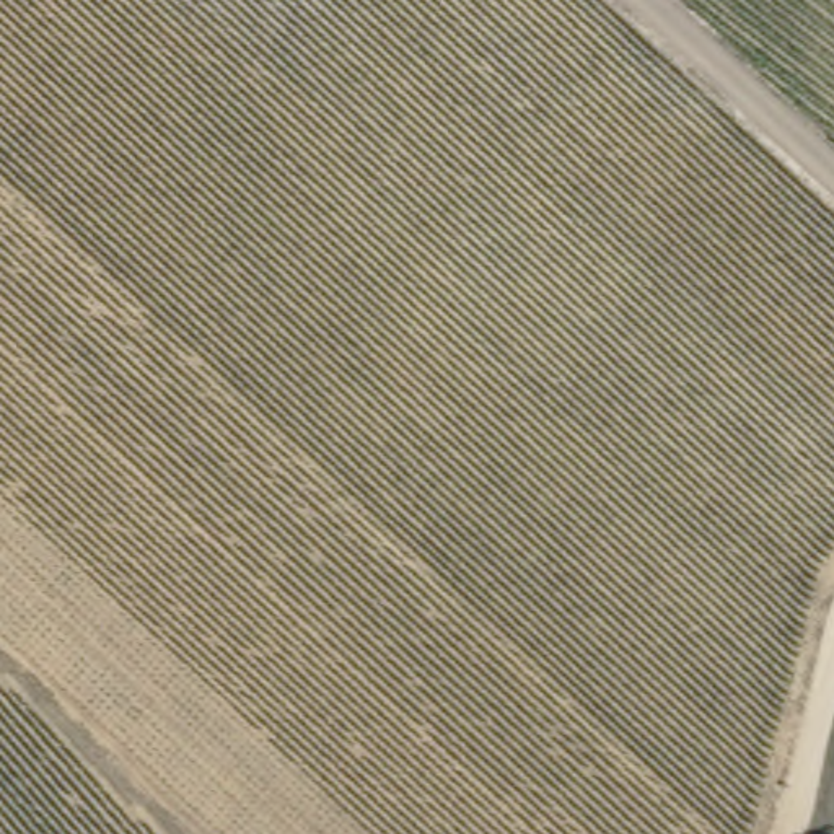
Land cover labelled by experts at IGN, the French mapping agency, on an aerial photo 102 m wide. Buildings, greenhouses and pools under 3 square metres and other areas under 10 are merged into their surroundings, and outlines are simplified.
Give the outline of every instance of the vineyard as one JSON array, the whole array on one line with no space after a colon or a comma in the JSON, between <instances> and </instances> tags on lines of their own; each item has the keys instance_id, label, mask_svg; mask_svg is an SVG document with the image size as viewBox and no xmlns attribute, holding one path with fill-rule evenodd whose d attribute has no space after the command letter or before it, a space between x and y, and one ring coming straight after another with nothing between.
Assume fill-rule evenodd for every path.
<instances>
[{"instance_id":1,"label":"vineyard","mask_svg":"<svg viewBox=\"0 0 834 834\"><path fill-rule=\"evenodd\" d=\"M834 147L834 0L681 0L687 10L710 23L720 46L726 46L740 62L753 65L759 72L759 81L769 85L779 98L785 98Z\"/></svg>"},{"instance_id":2,"label":"vineyard","mask_svg":"<svg viewBox=\"0 0 834 834\"><path fill-rule=\"evenodd\" d=\"M772 150L766 150L726 108L720 108L681 65L674 65L661 49L655 49L606 0L0 0L0 834L769 834L795 762L798 730L811 697L827 612L834 606L834 209L818 192L811 192Z\"/></svg>"}]
</instances>

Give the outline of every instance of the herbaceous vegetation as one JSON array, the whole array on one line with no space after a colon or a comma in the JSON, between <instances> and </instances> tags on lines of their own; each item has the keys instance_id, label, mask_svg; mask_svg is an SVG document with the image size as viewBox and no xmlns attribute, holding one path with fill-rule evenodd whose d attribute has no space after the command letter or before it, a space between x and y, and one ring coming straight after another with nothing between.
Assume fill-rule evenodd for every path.
<instances>
[{"instance_id":1,"label":"herbaceous vegetation","mask_svg":"<svg viewBox=\"0 0 834 834\"><path fill-rule=\"evenodd\" d=\"M834 726L824 753L811 827L805 834L834 834Z\"/></svg>"}]
</instances>

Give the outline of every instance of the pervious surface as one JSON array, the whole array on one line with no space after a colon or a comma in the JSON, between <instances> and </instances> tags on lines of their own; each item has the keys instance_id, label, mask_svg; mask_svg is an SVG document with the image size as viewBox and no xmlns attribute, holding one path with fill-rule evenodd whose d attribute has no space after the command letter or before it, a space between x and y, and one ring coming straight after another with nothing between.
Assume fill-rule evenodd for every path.
<instances>
[{"instance_id":1,"label":"pervious surface","mask_svg":"<svg viewBox=\"0 0 834 834\"><path fill-rule=\"evenodd\" d=\"M834 606L827 612L811 697L798 730L795 762L769 834L805 834L811 827L824 753L834 726Z\"/></svg>"},{"instance_id":2,"label":"pervious surface","mask_svg":"<svg viewBox=\"0 0 834 834\"><path fill-rule=\"evenodd\" d=\"M674 65L681 65L720 108L726 108L766 150L772 150L811 192L818 192L834 209L834 147L785 98L779 98L769 85L759 81L759 72L753 65L740 62L726 46L720 46L710 23L687 10L681 0L606 0L655 49L661 49Z\"/></svg>"}]
</instances>

